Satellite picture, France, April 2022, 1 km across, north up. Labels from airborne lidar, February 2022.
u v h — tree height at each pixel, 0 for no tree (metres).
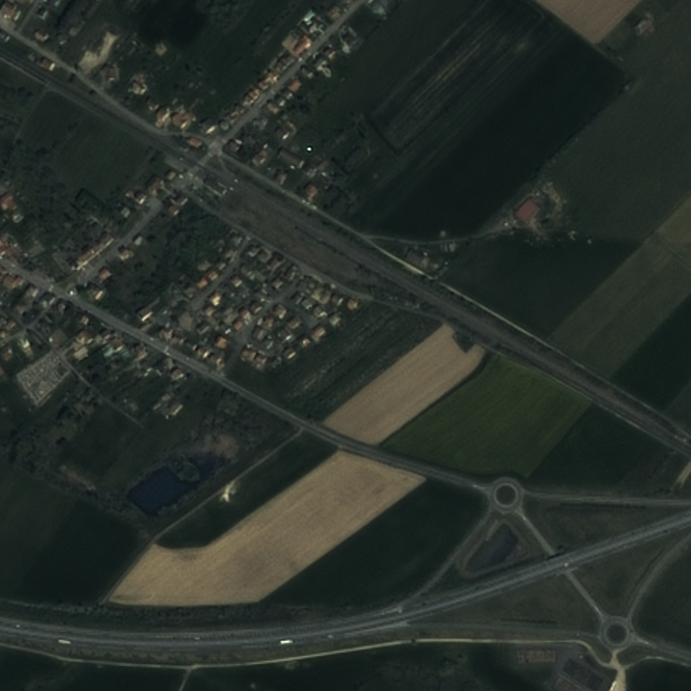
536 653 0
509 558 0
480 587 0
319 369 0
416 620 0
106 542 0
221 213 0
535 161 0
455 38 0
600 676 0
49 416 0
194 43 0
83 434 0
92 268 0
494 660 0
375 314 0
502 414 0
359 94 0
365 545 0
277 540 0
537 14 0
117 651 0
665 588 0
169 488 0
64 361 0
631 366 0
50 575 0
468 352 0
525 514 0
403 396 0
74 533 0
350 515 0
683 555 0
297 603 0
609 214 0
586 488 0
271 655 0
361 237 0
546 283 0
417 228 0
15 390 0
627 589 0
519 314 0
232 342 0
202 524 0
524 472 0
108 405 0
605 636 0
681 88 0
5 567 0
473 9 0
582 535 0
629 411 0
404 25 0
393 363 0
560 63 0
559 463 0
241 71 0
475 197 0
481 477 0
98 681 0
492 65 0
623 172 0
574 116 0
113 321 0
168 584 0
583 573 0
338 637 0
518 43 0
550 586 0
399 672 0
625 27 0
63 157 0
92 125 0
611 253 0
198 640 0
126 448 0
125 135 0
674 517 0
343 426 0
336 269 0
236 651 0
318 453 0
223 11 23
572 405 0
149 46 0
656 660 0
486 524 0
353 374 0
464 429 0
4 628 0
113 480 0
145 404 0
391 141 0
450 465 0
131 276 0
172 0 0
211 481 0
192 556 0
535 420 0
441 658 0
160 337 0
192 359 0
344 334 0
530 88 0
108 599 0
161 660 0
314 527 0
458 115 0
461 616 0
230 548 0
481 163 0
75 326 0
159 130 0
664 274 0
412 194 0
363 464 0
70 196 17
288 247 0
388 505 0
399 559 0
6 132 17
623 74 0
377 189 0
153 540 0
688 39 0
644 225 0
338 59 0
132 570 0
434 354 0
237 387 0
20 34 0
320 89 0
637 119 0
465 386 0
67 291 0
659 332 0
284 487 0
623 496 0
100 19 0
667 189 0
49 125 0
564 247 0
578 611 0
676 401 0
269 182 0
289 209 0
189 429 0
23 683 0
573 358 0
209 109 0
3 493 0
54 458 12
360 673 0
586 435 0
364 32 0
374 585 0
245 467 0
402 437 0
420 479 0
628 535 0
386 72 0
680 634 0
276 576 0
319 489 0
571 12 0
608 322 0
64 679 0
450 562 0
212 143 0
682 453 0
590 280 0
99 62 0
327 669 0
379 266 0
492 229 0
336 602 0
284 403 0
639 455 0
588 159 0
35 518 0
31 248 0
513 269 0
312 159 0
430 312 11
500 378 0
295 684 0
